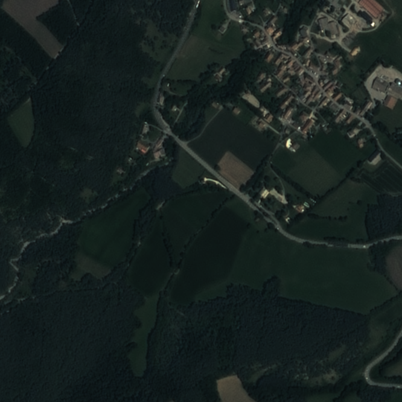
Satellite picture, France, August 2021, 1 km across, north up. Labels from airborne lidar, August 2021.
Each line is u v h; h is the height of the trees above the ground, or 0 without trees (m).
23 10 0
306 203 0
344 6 0
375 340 0
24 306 13
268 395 11
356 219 0
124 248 0
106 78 10
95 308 13
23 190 12
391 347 0
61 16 16
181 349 9
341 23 11
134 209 0
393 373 0
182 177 0
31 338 15
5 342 13
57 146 11
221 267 0
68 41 8
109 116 15
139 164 10
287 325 17
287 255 0
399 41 0
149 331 0
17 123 0
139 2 15
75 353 12
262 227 0
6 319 14
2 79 16
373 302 0
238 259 0
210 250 0
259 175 13
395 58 0
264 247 0
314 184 0
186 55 0
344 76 0
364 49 0
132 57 15
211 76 18
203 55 0
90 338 12
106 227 0
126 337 14
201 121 16
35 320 12
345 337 11
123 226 0
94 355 13
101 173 15
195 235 8
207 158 0
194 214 0
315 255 0
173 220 0
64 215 8
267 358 10
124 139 13
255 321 16
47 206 8
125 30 13
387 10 0
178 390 16
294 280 0
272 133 6
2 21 13
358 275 0
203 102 10
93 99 9
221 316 15
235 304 8
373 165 0
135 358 0
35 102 17
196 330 6
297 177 0
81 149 15
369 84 0
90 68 16
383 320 0
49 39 0
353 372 6
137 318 11
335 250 0
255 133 0
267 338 20
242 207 0
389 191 0
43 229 15
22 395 11
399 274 0
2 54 12
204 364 16
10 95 20
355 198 0
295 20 23
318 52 12
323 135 0
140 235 9
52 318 13
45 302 13
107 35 19
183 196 9
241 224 0
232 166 0
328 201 0
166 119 10
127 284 10
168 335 8
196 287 0
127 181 14
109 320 12
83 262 0
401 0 0
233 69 12
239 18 0
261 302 19
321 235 0
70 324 11
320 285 0
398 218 10
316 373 10
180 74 0
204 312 14
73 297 13
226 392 0
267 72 8
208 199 0
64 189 18
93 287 8
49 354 12
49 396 7
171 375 13
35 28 0
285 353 14
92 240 0
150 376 22
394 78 0
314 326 19
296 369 8
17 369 14
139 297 11
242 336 16
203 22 0
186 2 10
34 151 13
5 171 10
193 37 0
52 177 14
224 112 0
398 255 0
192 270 0
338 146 0
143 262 0
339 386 17
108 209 10
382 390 11
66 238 18
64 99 18
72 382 11
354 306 0
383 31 0
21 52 16
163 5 17
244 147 0
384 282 0
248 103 9
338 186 7
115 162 15
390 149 0
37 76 13
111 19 15
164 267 0
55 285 12
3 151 20
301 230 0
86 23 22
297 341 17
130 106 12
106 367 19
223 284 0
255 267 0
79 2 18
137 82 14
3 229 9
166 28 16
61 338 10
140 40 10
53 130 14
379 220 15
